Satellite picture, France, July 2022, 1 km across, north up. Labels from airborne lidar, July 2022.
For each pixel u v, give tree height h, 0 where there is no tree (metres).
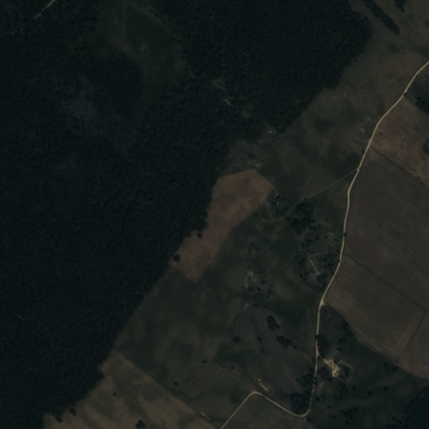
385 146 0
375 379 0
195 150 9
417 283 0
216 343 0
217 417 0
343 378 12
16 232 22
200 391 0
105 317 15
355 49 11
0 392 17
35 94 22
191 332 0
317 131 0
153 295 0
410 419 15
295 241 0
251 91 11
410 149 0
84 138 21
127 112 12
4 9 17
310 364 0
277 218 0
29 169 22
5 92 23
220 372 0
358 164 0
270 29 20
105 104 23
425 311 0
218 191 0
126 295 10
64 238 22
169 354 0
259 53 12
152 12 7
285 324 0
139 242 17
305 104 10
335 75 15
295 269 0
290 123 12
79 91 21
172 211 15
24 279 18
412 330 0
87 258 13
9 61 15
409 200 0
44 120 21
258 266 0
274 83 11
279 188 0
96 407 0
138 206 13
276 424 0
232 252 0
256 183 0
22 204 23
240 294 0
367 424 0
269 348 0
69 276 16
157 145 9
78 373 15
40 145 19
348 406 0
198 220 13
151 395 0
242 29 13
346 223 0
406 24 0
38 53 15
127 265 16
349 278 0
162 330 0
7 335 20
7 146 23
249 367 0
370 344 0
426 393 13
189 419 0
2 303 22
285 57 20
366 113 0
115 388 0
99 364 7
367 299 0
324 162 0
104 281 13
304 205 16
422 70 0
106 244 18
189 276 0
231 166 0
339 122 0
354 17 14
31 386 19
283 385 0
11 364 17
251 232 0
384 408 0
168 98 23
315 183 0
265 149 0
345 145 0
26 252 19
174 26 10
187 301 0
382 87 0
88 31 15
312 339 0
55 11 20
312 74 20
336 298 0
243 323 0
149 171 13
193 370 0
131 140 18
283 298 0
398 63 0
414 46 0
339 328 0
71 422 0
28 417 18
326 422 0
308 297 0
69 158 18
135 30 0
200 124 11
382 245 0
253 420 0
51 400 15
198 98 7
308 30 14
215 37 14
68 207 23
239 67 15
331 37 13
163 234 12
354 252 0
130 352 0
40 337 14
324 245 0
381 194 0
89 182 22
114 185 17
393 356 0
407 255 0
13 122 22
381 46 0
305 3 16
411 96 0
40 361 17
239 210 0
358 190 0
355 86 0
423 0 0
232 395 0
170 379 0
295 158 0
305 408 8
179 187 15
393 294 0
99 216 20
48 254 15
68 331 14
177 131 12
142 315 0
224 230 0
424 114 0
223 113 12
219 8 15
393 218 0
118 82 14
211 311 0
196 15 8
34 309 18
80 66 19
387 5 0
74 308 14
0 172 21
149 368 0
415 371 0
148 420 0
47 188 18
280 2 20
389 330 0
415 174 0
